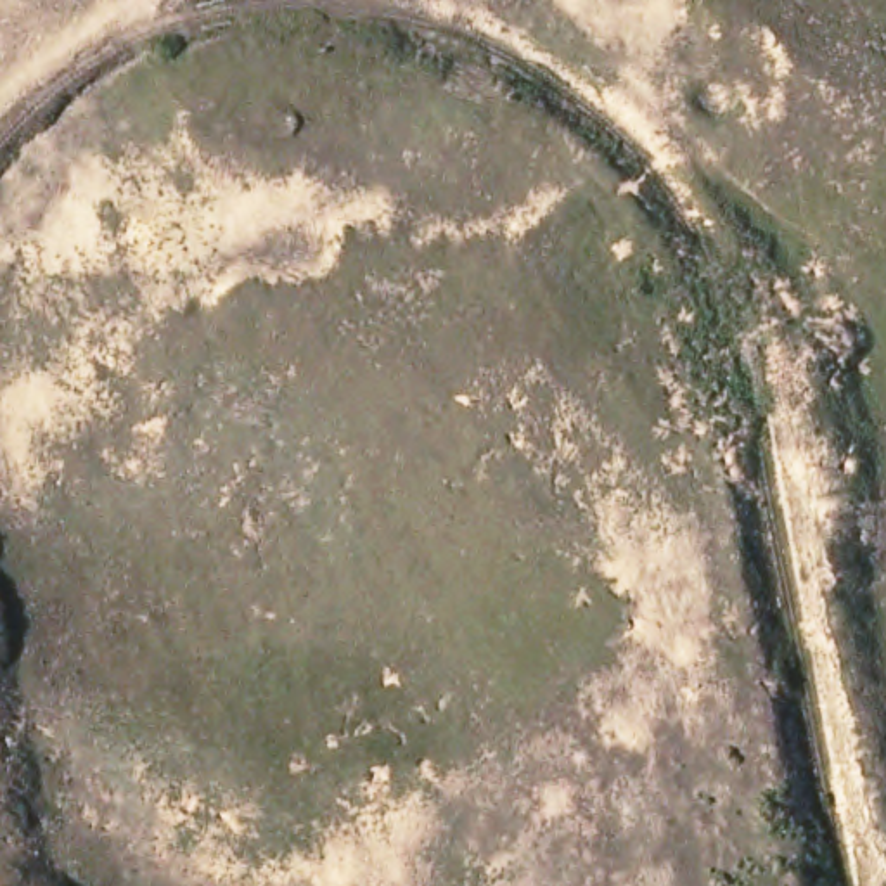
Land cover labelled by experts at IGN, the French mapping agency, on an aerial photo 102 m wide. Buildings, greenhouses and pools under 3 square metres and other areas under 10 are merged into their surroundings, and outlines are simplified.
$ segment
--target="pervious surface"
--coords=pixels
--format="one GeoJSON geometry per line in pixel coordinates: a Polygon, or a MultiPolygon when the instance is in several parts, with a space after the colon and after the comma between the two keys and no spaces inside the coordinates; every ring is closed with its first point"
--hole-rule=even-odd
{"type": "Polygon", "coordinates": [[[491,10],[478,7],[474,0],[377,0],[395,10],[426,10],[429,17],[450,21],[453,28],[481,31],[485,38],[509,45],[516,55],[533,66],[543,66],[588,107],[602,111],[626,138],[633,138],[647,152],[651,166],[661,173],[678,215],[692,228],[709,232],[716,225],[716,215],[703,204],[703,194],[692,187],[682,152],[654,128],[654,121],[661,118],[661,104],[651,87],[658,59],[668,52],[665,45],[671,28],[682,24],[689,14],[689,0],[554,0],[564,14],[578,21],[578,28],[595,45],[606,45],[613,38],[626,42],[626,62],[616,76],[616,87],[602,90],[592,87],[588,76],[568,66],[561,55],[536,48],[523,28],[502,24],[491,10]]]}
{"type": "Polygon", "coordinates": [[[59,35],[35,35],[21,52],[21,62],[7,76],[0,76],[0,183],[10,163],[17,159],[21,145],[48,132],[76,97],[83,97],[107,73],[125,69],[128,62],[159,48],[159,38],[177,24],[177,7],[183,0],[31,0],[38,10],[62,14],[69,24],[59,35]]]}
{"type": "Polygon", "coordinates": [[[754,277],[761,322],[741,332],[741,356],[751,374],[754,401],[768,412],[772,453],[772,471],[761,481],[744,474],[734,481],[741,495],[758,502],[765,550],[775,575],[775,606],[793,626],[799,626],[810,658],[810,678],[817,692],[820,734],[827,751],[827,782],[834,793],[834,820],[851,886],[886,886],[886,834],[879,831],[876,786],[865,782],[858,765],[862,744],[855,734],[855,713],[841,678],[841,658],[827,609],[834,568],[827,557],[827,543],[834,536],[834,526],[838,502],[831,498],[831,491],[827,474],[817,467],[831,457],[831,450],[827,436],[813,433],[810,408],[817,398],[813,381],[806,374],[813,363],[813,350],[806,346],[806,339],[813,325],[799,322],[779,301],[779,277],[754,277]]]}

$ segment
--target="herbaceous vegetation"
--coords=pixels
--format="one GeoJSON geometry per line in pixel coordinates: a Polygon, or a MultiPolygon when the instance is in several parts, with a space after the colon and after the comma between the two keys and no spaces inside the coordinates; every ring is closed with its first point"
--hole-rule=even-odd
{"type": "Polygon", "coordinates": [[[803,886],[796,869],[803,831],[786,820],[782,810],[765,806],[772,838],[779,841],[779,855],[765,862],[758,855],[741,855],[737,869],[723,872],[723,886],[803,886]]]}
{"type": "Polygon", "coordinates": [[[547,118],[540,104],[512,100],[512,90],[502,87],[502,66],[509,66],[516,55],[509,45],[485,38],[481,31],[453,28],[450,21],[429,17],[426,10],[395,10],[377,0],[183,0],[177,7],[177,24],[159,38],[159,48],[128,62],[125,69],[107,73],[83,97],[93,100],[93,111],[104,128],[100,156],[111,163],[121,159],[125,145],[132,142],[170,142],[173,114],[187,111],[194,142],[204,152],[218,156],[222,170],[239,159],[253,173],[270,180],[305,173],[343,194],[388,190],[391,232],[377,232],[374,222],[346,225],[339,260],[325,277],[298,284],[266,284],[260,277],[249,277],[211,308],[204,308],[201,301],[166,308],[163,325],[132,346],[128,374],[118,374],[104,363],[93,370],[118,405],[111,415],[90,412],[90,419],[80,422],[76,440],[52,443],[52,457],[62,457],[62,471],[45,474],[38,488],[35,526],[10,533],[0,530],[0,613],[7,654],[17,658],[21,699],[35,709],[38,723],[35,748],[42,761],[45,793],[38,799],[38,817],[55,869],[69,876],[62,886],[170,886],[170,879],[121,879],[121,869],[111,855],[111,841],[97,838],[93,827],[83,820],[80,789],[66,765],[69,748],[90,744],[93,737],[121,744],[128,741],[145,761],[145,772],[152,779],[166,779],[166,799],[180,799],[183,782],[194,782],[197,810],[194,820],[177,824],[180,851],[194,851],[204,827],[222,820],[222,810],[256,803],[260,834],[242,838],[235,851],[235,858],[249,865],[291,858],[294,851],[308,855],[318,844],[311,820],[329,824],[332,806],[339,799],[339,786],[353,779],[370,782],[374,768],[384,765],[391,772],[391,793],[398,799],[419,793],[436,810],[440,831],[422,844],[422,858],[433,865],[426,886],[485,886],[485,872],[478,865],[460,862],[474,806],[426,782],[419,775],[419,765],[433,761],[436,772],[453,772],[464,761],[471,761],[481,748],[491,748],[498,761],[512,761],[519,744],[530,744],[533,737],[554,730],[557,703],[575,703],[581,685],[588,685],[599,671],[620,665],[623,654],[613,647],[613,640],[626,626],[633,626],[637,606],[630,595],[620,595],[613,588],[613,578],[599,571],[602,540],[595,502],[602,502],[609,491],[626,491],[623,505],[637,512],[661,512],[665,505],[671,505],[671,512],[678,516],[678,533],[696,533],[703,547],[713,637],[730,633],[730,626],[741,616],[751,616],[751,595],[741,575],[737,516],[727,495],[727,485],[734,481],[744,474],[734,443],[713,429],[723,422],[723,415],[706,415],[706,391],[675,381],[671,370],[665,370],[671,356],[661,343],[661,329],[668,329],[668,308],[658,308],[658,298],[640,294],[640,270],[661,263],[661,239],[637,215],[637,194],[620,194],[623,180],[609,173],[602,159],[588,152],[568,128],[547,118]],[[429,52],[453,52],[453,76],[440,80],[429,76],[422,62],[395,59],[388,45],[398,24],[408,35],[426,38],[429,52]],[[512,211],[540,187],[557,187],[564,201],[536,228],[523,235],[478,235],[467,242],[450,242],[440,235],[429,246],[412,242],[412,235],[426,222],[474,222],[495,215],[498,208],[512,211]],[[163,478],[142,478],[135,485],[135,478],[125,471],[125,460],[132,453],[135,426],[149,419],[166,419],[159,440],[163,478]]]}
{"type": "Polygon", "coordinates": [[[886,218],[879,218],[883,249],[872,249],[869,256],[855,260],[858,284],[848,284],[844,277],[827,277],[834,298],[855,305],[858,318],[872,332],[872,353],[862,360],[858,374],[865,401],[879,426],[879,502],[886,505],[886,218]]]}

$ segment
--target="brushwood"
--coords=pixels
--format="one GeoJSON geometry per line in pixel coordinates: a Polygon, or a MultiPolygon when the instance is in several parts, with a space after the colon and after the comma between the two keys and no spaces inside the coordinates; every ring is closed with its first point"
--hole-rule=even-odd
{"type": "Polygon", "coordinates": [[[422,62],[429,76],[440,80],[453,76],[453,52],[429,52],[426,38],[408,35],[398,24],[388,45],[395,59],[422,62]]]}
{"type": "Polygon", "coordinates": [[[69,876],[55,869],[38,817],[38,799],[45,793],[42,761],[35,748],[38,723],[35,709],[21,699],[17,658],[7,654],[0,613],[0,761],[10,758],[10,748],[17,748],[17,765],[7,786],[3,813],[21,827],[21,855],[10,865],[17,869],[17,876],[10,876],[3,886],[62,886],[69,876]]]}
{"type": "Polygon", "coordinates": [[[879,502],[879,426],[865,401],[858,374],[862,360],[872,353],[872,332],[858,318],[844,322],[851,336],[851,353],[844,360],[841,391],[817,398],[810,408],[813,433],[827,436],[831,450],[848,453],[858,464],[851,485],[831,491],[831,498],[838,502],[879,502]]]}
{"type": "Polygon", "coordinates": [[[775,222],[768,215],[754,211],[741,190],[716,180],[713,173],[706,173],[692,187],[703,194],[703,204],[716,215],[716,225],[709,232],[692,228],[678,215],[661,173],[651,166],[647,152],[633,138],[626,138],[602,111],[588,107],[543,66],[533,66],[516,55],[509,66],[502,66],[502,87],[512,90],[512,100],[540,104],[547,118],[568,128],[588,152],[602,159],[609,173],[623,180],[620,194],[637,194],[637,215],[661,239],[661,263],[640,270],[640,294],[658,298],[658,308],[668,308],[668,329],[661,329],[661,343],[671,356],[665,370],[671,370],[675,381],[706,391],[706,415],[723,415],[723,422],[713,429],[734,443],[744,474],[761,481],[772,471],[772,453],[768,412],[754,401],[751,374],[741,356],[741,332],[761,322],[754,277],[779,277],[789,280],[789,291],[796,294],[803,315],[824,318],[820,298],[813,294],[813,273],[803,273],[803,263],[810,260],[806,242],[793,232],[775,235],[775,222]]]}
{"type": "Polygon", "coordinates": [[[810,658],[799,626],[793,626],[775,606],[775,575],[765,550],[758,502],[741,495],[734,481],[727,485],[727,495],[737,516],[741,575],[751,595],[751,616],[758,623],[765,671],[779,678],[772,713],[782,789],[772,789],[765,796],[765,806],[782,810],[786,820],[803,831],[796,869],[803,886],[851,886],[834,820],[834,793],[827,782],[827,751],[820,734],[817,692],[810,678],[810,658]]]}
{"type": "Polygon", "coordinates": [[[862,543],[858,530],[841,533],[834,526],[834,536],[827,543],[827,557],[834,568],[827,609],[851,630],[858,620],[869,620],[879,609],[872,599],[872,547],[862,543]]]}

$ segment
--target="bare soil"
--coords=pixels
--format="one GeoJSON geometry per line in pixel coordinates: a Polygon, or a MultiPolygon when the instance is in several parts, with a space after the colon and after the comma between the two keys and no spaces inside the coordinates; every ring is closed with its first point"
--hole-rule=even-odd
{"type": "Polygon", "coordinates": [[[523,28],[536,48],[561,55],[568,66],[588,76],[592,87],[602,90],[616,87],[616,76],[626,62],[626,42],[613,38],[606,45],[595,45],[578,28],[578,21],[564,14],[554,0],[474,0],[478,7],[491,10],[502,24],[523,28]]]}
{"type": "Polygon", "coordinates": [[[765,671],[758,623],[751,616],[741,616],[730,626],[730,633],[713,637],[703,547],[696,533],[678,533],[678,516],[671,512],[671,505],[665,505],[661,512],[637,512],[623,505],[626,491],[609,491],[602,502],[595,502],[602,540],[599,571],[613,578],[613,588],[620,595],[630,595],[637,606],[633,626],[626,626],[613,640],[613,647],[623,654],[620,665],[599,671],[588,685],[581,685],[575,703],[557,703],[554,730],[533,737],[530,744],[519,744],[512,761],[498,761],[491,748],[481,748],[471,761],[464,761],[453,772],[436,772],[433,761],[419,765],[419,775],[426,782],[474,806],[460,862],[478,865],[485,872],[485,886],[723,886],[723,872],[737,869],[741,855],[758,855],[765,862],[779,855],[779,841],[772,838],[765,806],[765,796],[772,789],[782,789],[772,713],[779,678],[765,671]]]}
{"type": "Polygon", "coordinates": [[[3,813],[7,786],[17,765],[17,748],[10,748],[10,758],[0,761],[0,886],[3,886],[10,876],[17,876],[17,869],[10,865],[21,855],[21,827],[3,813]]]}
{"type": "Polygon", "coordinates": [[[391,793],[391,772],[384,765],[374,768],[370,782],[353,779],[339,786],[339,799],[332,806],[329,824],[311,820],[318,844],[308,855],[294,851],[291,858],[249,865],[235,858],[235,851],[242,838],[260,834],[256,803],[222,810],[222,820],[204,827],[194,851],[180,851],[177,824],[194,820],[197,810],[194,782],[183,782],[180,799],[166,799],[166,779],[152,779],[145,772],[145,761],[128,741],[121,744],[93,737],[90,744],[69,748],[66,765],[80,789],[83,820],[93,827],[97,838],[111,841],[111,855],[121,869],[121,879],[170,879],[170,886],[426,886],[433,865],[422,858],[422,844],[440,831],[436,810],[419,793],[398,799],[391,793]]]}
{"type": "Polygon", "coordinates": [[[872,599],[879,609],[869,620],[858,620],[851,630],[827,609],[841,658],[841,678],[855,713],[855,734],[862,744],[858,765],[865,782],[876,786],[879,831],[886,834],[886,505],[879,502],[838,502],[834,526],[841,533],[858,530],[862,543],[872,547],[872,599]]]}
{"type": "Polygon", "coordinates": [[[775,222],[775,235],[793,232],[806,242],[810,260],[803,263],[803,273],[813,273],[813,294],[820,298],[824,318],[803,315],[796,294],[789,291],[789,280],[779,277],[779,301],[799,322],[813,325],[806,339],[806,346],[813,350],[813,363],[806,374],[813,381],[817,398],[841,391],[844,360],[851,353],[851,336],[844,322],[858,318],[855,305],[834,298],[827,277],[844,277],[848,284],[858,284],[855,260],[869,256],[872,249],[883,249],[879,218],[886,218],[886,0],[689,0],[689,14],[682,24],[671,28],[665,45],[668,52],[658,59],[651,87],[661,104],[661,118],[654,121],[654,128],[682,152],[692,187],[706,173],[713,173],[716,180],[741,190],[754,211],[768,215],[775,222]]]}
{"type": "Polygon", "coordinates": [[[831,450],[831,457],[817,467],[827,474],[831,491],[851,485],[858,464],[848,453],[831,450]]]}
{"type": "Polygon", "coordinates": [[[132,346],[163,325],[166,308],[201,301],[204,308],[211,308],[249,277],[260,277],[266,284],[298,284],[325,277],[339,260],[346,225],[374,222],[377,232],[391,232],[388,190],[343,194],[305,173],[270,180],[253,173],[239,159],[222,170],[218,156],[204,152],[194,142],[187,111],[173,114],[170,142],[132,142],[125,145],[121,159],[111,163],[100,156],[104,128],[93,111],[93,100],[83,97],[76,97],[48,132],[21,145],[17,159],[10,163],[0,183],[0,530],[10,533],[35,526],[38,488],[45,474],[62,471],[62,457],[52,457],[52,443],[76,440],[80,422],[90,419],[90,412],[111,415],[118,405],[93,370],[104,363],[118,374],[128,374],[132,346]]]}
{"type": "Polygon", "coordinates": [[[31,0],[0,0],[0,76],[7,76],[21,62],[21,52],[35,35],[59,35],[69,24],[62,14],[38,10],[31,0]]]}
{"type": "Polygon", "coordinates": [[[132,453],[125,460],[125,471],[135,478],[135,485],[142,478],[163,478],[159,440],[166,419],[149,419],[135,426],[132,453]]]}
{"type": "Polygon", "coordinates": [[[426,222],[412,235],[412,242],[429,246],[440,235],[450,242],[467,242],[478,235],[523,235],[536,228],[564,201],[557,187],[540,187],[512,211],[498,208],[495,215],[474,222],[426,222]]]}

